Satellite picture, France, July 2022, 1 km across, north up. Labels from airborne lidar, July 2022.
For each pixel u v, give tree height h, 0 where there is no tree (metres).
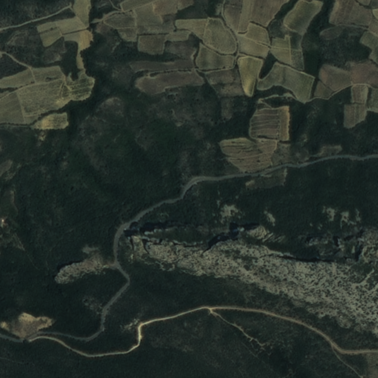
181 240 6
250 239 5
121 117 0
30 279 9
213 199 7
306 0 0
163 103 0
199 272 0
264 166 0
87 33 0
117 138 0
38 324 0
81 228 6
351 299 0
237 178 6
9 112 0
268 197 6
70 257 7
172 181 6
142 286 8
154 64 0
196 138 0
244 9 0
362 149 6
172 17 0
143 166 6
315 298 0
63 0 0
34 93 0
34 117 0
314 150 9
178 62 0
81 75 0
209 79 0
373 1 0
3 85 0
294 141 6
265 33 0
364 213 5
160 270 5
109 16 0
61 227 6
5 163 0
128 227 0
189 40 0
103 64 0
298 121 13
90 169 8
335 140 5
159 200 6
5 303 8
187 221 6
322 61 10
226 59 0
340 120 6
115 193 6
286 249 8
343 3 0
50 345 6
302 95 0
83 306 8
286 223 7
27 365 8
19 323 0
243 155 0
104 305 6
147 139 7
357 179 6
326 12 10
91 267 0
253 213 8
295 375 6
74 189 12
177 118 0
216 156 7
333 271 0
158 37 0
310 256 9
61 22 0
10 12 9
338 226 6
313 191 6
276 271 0
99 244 6
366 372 0
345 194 6
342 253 0
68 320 11
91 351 7
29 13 0
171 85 0
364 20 0
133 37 0
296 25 0
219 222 6
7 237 6
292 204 5
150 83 0
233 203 7
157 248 0
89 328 6
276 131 0
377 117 7
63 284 9
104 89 0
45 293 11
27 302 6
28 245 8
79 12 0
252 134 0
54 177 6
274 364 7
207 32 0
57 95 0
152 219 8
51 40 0
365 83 0
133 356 6
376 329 0
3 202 0
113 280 6
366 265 5
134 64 0
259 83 0
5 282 5
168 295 6
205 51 0
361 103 0
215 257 0
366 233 0
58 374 7
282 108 0
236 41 0
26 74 0
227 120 8
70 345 9
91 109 9
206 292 6
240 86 0
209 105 0
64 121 0
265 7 0
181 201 7
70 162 7
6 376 6
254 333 7
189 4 0
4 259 7
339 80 0
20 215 10
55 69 0
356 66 0
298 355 5
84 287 8
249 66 0
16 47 7
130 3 0
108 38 0
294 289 0
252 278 0
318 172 7
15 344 6
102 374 6
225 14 0
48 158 8
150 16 0
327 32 0
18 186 6
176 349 6
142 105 0
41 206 6
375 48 0
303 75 0
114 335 6
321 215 6
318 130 11
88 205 7
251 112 9
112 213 6
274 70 0
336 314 0
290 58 0
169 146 6
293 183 6
